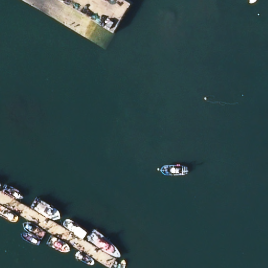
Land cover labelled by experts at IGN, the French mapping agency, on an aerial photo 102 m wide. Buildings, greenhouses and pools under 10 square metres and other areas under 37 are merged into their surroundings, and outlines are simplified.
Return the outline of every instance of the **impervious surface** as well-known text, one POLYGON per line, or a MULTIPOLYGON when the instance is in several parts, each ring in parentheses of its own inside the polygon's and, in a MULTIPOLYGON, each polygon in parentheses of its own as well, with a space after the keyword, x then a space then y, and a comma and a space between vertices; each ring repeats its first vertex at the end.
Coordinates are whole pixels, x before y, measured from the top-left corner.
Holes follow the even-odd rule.
POLYGON ((126 0, 22 0, 100 47, 107 45, 118 27, 121 17, 130 5, 126 0))

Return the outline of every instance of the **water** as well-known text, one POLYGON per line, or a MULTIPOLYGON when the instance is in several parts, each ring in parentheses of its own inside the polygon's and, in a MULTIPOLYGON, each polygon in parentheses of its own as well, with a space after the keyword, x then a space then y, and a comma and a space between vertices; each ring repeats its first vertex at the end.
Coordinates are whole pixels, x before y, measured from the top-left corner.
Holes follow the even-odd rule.
POLYGON ((126 0, 130 5, 121 17, 118 27, 107 45, 100 47, 22 0, 0 0, 0 268, 268 268, 268 0, 126 0))

